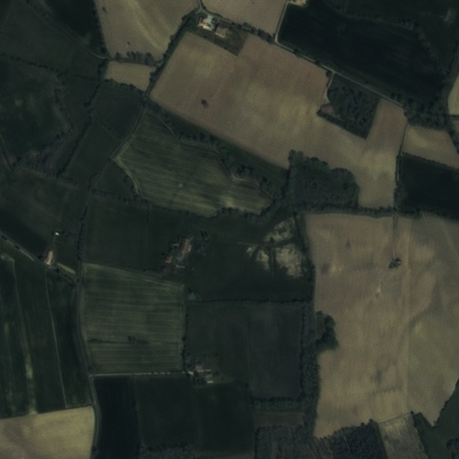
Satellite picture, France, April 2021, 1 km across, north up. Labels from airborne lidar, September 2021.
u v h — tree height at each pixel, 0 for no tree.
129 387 0
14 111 0
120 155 0
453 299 0
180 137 13
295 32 0
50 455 0
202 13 0
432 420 0
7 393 0
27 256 0
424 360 0
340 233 0
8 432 0
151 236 0
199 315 0
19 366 0
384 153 0
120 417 0
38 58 0
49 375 0
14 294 0
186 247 0
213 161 0
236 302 7
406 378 0
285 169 0
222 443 0
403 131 0
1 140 6
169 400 0
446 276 0
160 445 0
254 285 0
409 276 0
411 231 0
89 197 0
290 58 0
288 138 0
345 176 24
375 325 0
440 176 0
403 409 0
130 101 0
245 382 0
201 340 0
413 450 0
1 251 0
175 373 11
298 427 0
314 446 19
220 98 0
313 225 0
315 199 9
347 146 0
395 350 0
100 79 12
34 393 0
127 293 0
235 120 0
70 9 0
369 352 0
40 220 0
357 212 16
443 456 0
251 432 0
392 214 13
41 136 0
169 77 0
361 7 0
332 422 0
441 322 0
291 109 0
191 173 0
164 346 0
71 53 0
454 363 0
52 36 0
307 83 0
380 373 0
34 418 0
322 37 0
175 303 0
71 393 0
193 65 0
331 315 0
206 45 0
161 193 0
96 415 0
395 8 0
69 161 7
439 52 0
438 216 10
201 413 0
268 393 0
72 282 6
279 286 0
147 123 0
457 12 0
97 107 0
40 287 0
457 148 18
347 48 0
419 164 0
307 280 0
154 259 0
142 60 21
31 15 0
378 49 0
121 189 0
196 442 0
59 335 0
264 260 0
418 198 0
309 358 22
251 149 0
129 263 0
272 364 0
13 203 0
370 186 0
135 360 0
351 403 0
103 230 0
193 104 0
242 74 0
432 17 0
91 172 0
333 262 0
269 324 0
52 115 0
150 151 0
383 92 0
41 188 0
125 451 0
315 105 0
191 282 0
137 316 0
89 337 0
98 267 0
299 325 0
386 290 0
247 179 11
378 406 0
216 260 0
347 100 10
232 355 0
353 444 15
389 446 0
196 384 8
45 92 0
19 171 11
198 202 0
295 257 0
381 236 0
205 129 0
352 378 0
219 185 0
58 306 0
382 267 0
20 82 0
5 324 0
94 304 0
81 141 9
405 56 0
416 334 0
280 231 0
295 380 0
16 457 0
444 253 0
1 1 0
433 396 0
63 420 0
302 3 0
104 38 11
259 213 0
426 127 24
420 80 0
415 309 0
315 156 0
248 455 0
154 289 0
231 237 0
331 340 23
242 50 0
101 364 0
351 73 0
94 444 0
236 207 0
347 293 0
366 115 6
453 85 0
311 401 24
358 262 0
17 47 0
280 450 15
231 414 0
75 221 0
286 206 16
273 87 0
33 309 0
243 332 0
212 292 0
